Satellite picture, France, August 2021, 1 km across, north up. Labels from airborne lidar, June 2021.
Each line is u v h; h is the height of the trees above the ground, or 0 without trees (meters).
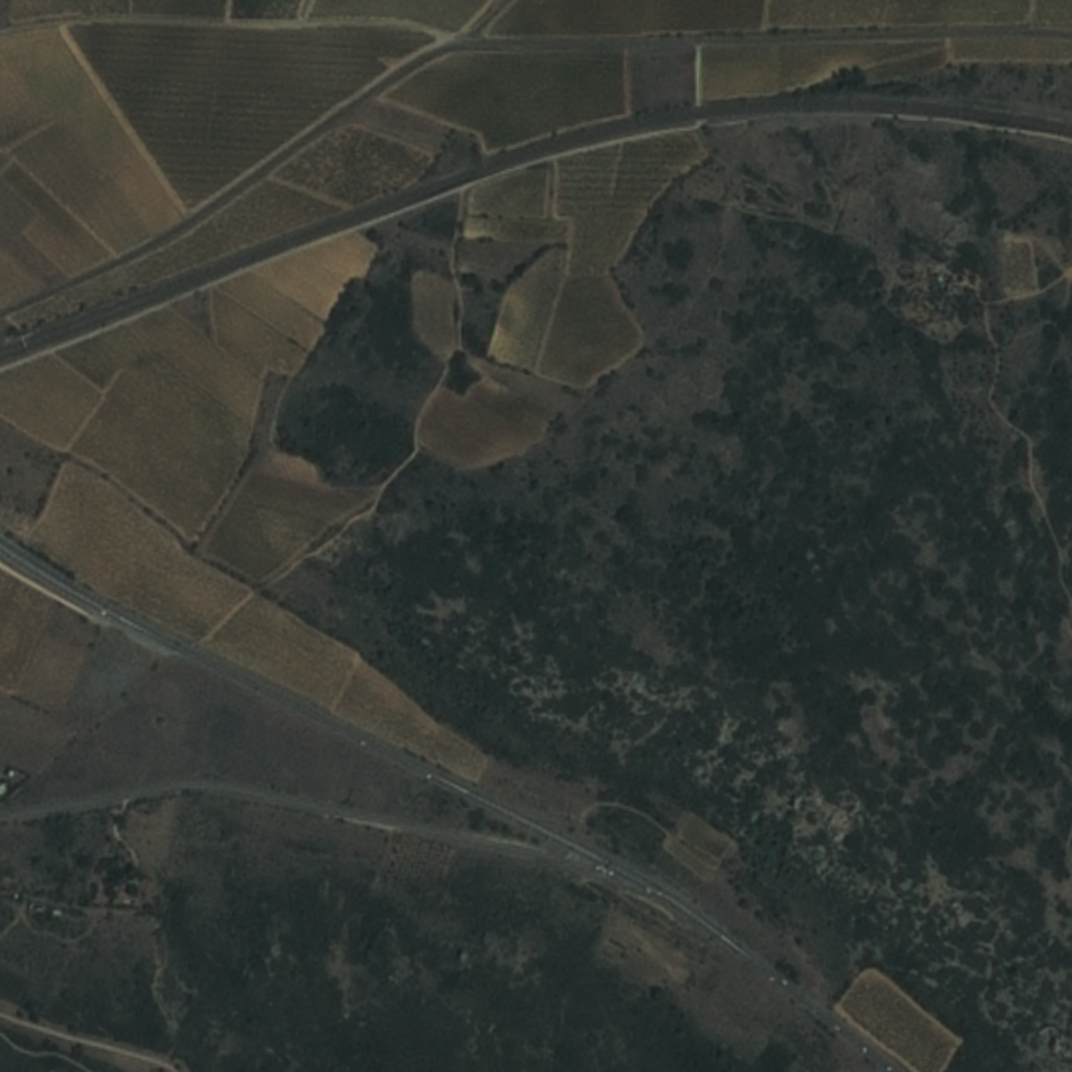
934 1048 0
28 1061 0
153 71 0
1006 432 0
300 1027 0
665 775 0
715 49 0
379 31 0
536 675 0
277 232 0
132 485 0
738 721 0
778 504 0
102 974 0
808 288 0
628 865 0
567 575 0
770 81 0
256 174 0
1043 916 0
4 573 0
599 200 0
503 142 0
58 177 0
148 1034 0
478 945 0
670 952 0
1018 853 0
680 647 0
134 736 0
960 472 0
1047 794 0
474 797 0
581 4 0
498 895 0
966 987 0
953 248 0
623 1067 0
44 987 0
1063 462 0
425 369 0
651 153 0
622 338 0
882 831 0
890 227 0
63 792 0
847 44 0
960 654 0
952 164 0
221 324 0
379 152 0
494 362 7
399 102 0
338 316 6
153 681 0
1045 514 0
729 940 0
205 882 0
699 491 0
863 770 0
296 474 0
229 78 0
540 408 0
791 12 0
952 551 0
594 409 0
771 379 0
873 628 0
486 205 0
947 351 0
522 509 0
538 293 0
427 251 0
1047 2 0
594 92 0
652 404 0
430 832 0
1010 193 0
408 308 0
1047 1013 0
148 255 0
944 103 0
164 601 0
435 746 0
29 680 0
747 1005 0
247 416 0
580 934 0
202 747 0
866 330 0
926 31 0
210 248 0
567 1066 0
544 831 0
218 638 0
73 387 0
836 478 0
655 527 0
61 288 0
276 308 0
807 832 0
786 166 0
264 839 0
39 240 0
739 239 0
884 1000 0
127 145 0
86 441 0
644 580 0
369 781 0
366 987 0
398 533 0
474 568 0
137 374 0
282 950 0
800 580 8
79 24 0
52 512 0
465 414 0
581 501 0
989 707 0
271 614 0
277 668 0
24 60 0
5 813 0
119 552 0
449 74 0
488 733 0
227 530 0
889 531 0
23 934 0
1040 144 0
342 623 0
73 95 0
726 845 0
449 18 0
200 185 0
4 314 0
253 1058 0
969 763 0
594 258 0
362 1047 0
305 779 0
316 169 0
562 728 0
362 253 0
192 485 0
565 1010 0
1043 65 0
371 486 0
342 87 0
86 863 6
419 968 0
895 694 0
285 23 0
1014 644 0
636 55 0
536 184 0
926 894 0
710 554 8
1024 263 0
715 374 0
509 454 0
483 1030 0
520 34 0
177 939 0
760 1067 0
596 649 6
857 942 0
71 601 0
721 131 0
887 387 0
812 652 0
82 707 0
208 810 0
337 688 0
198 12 0
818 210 6
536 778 0
